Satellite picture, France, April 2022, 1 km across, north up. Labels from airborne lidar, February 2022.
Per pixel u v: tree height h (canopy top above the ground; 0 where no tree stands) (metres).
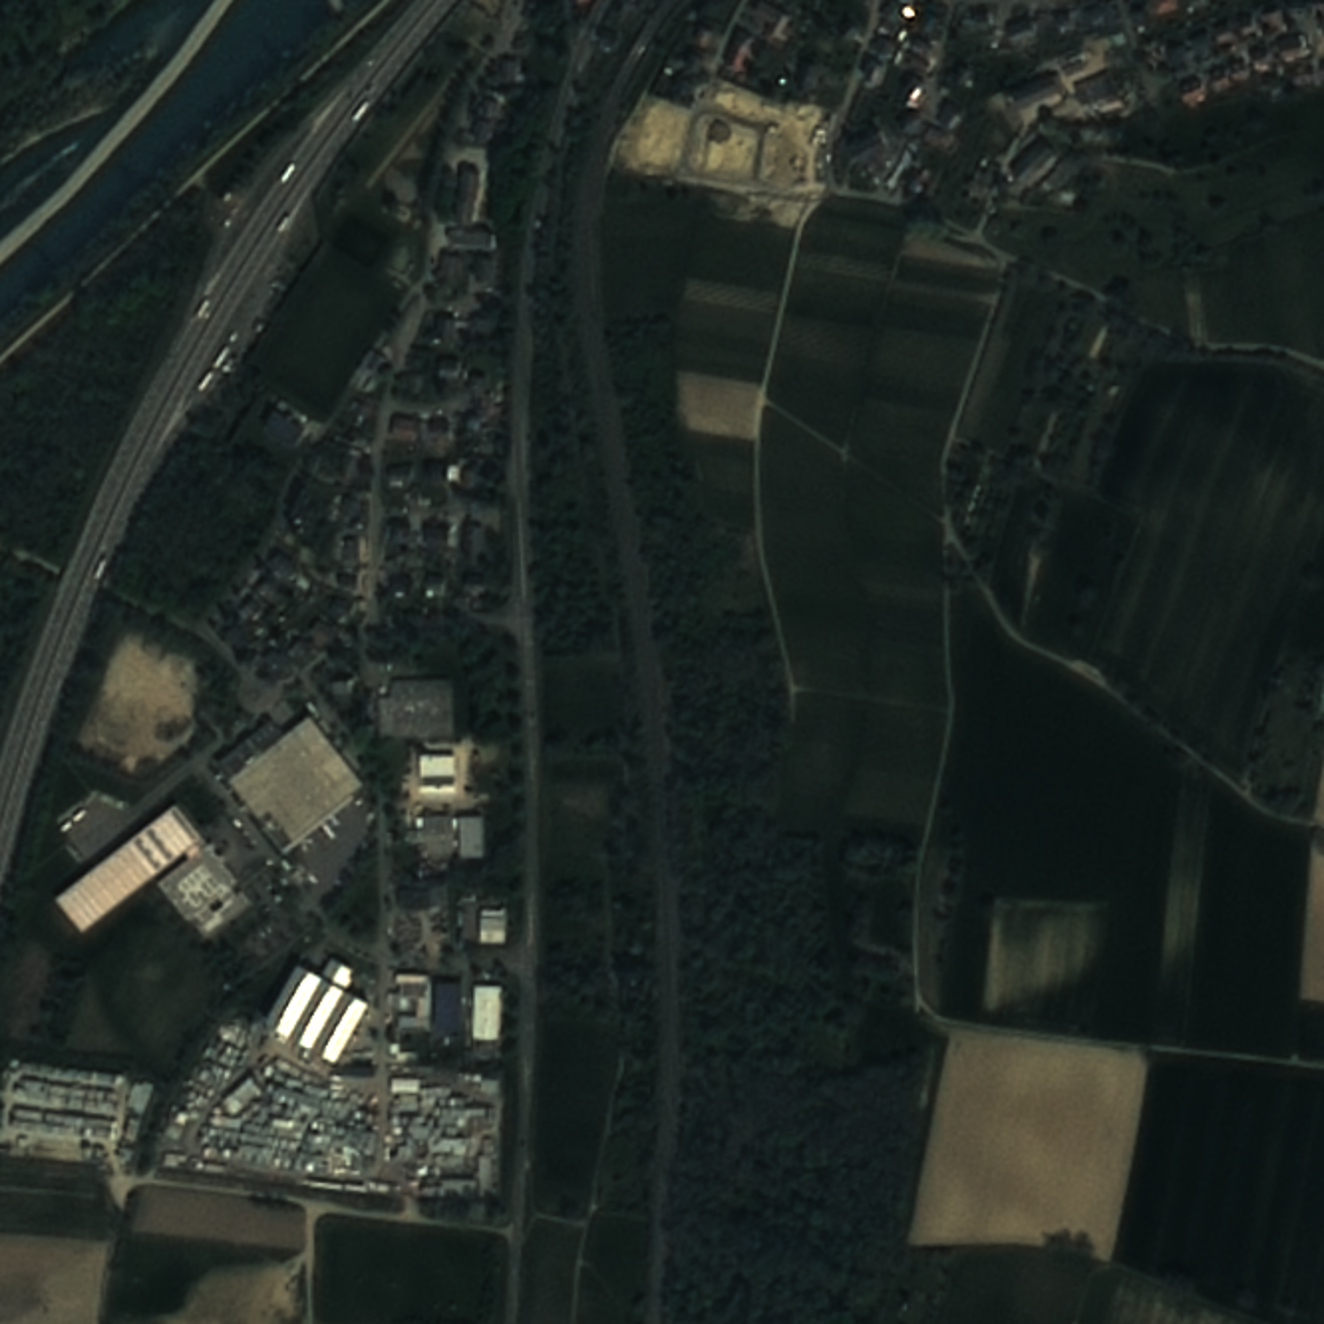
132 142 0
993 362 0
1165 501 0
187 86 0
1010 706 0
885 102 0
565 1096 0
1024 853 0
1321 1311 0
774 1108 21
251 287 0
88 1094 0
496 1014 0
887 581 0
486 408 0
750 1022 8
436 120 0
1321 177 0
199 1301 0
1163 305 0
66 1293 0
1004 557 0
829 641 0
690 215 0
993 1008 0
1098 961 0
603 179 0
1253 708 0
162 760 0
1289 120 0
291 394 0
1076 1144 0
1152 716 13
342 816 0
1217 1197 0
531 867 0
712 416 0
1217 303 0
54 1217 0
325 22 15
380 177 0
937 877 0
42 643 0
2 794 0
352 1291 0
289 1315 0
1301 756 0
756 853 15
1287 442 0
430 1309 0
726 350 0
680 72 0
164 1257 0
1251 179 0
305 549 0
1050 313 0
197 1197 0
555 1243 0
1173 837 0
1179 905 0
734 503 0
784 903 12
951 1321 0
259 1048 0
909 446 0
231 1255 0
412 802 0
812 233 0
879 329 0
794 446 0
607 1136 0
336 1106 0
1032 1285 0
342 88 0
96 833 0
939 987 0
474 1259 0
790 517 0
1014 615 0
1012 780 0
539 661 0
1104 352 0
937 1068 0
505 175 17
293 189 0
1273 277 0
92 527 0
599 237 0
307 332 0
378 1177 0
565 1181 0
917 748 0
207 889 0
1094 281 0
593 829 0
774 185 0
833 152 0
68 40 0
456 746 0
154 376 0
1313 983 0
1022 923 0
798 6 0
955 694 0
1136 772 0
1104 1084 0
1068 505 0
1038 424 0
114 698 0
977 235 0
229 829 0
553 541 7
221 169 0
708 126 0
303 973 0
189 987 0
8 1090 0
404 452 0
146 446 0
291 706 0
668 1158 0
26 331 0
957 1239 0
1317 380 0
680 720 14
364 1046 0
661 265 0
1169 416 0
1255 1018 0
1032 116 0
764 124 0
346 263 0
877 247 0
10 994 0
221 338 0
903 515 0
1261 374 0
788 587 0
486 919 0
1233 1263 0
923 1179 0
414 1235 0
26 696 0
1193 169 0
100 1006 0
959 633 0
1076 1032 0
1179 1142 0
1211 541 0
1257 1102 0
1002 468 10
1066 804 0
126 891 0
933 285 0
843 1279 25
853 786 0
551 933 0
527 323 0
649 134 0
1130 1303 0
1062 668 0
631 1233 0
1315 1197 0
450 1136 0
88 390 13
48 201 0
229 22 0
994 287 0
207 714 12
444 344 0
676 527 9
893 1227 20
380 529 0
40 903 0
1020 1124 0
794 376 0
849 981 0
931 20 0
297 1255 0
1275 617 0
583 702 0
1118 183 0
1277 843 0
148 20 0
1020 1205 0
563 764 0
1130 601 0
